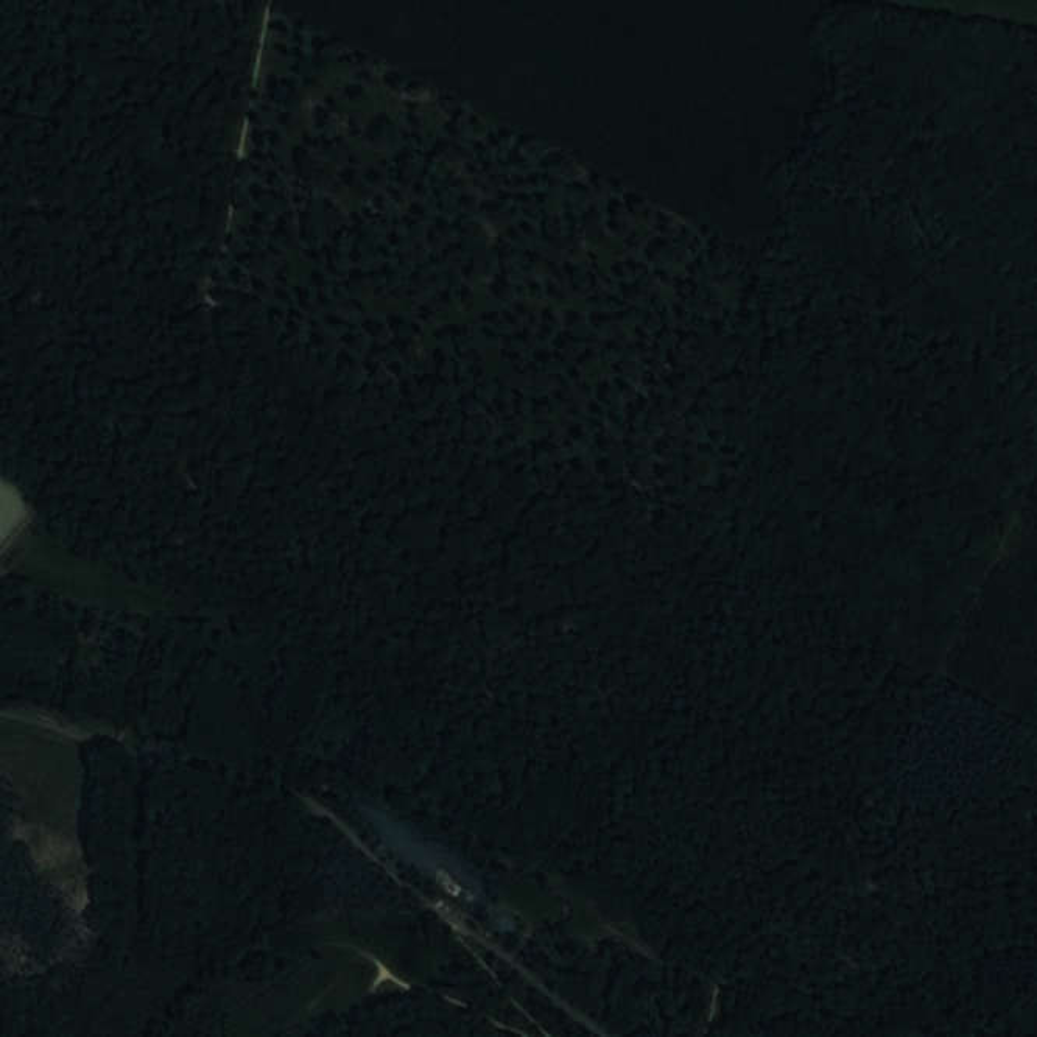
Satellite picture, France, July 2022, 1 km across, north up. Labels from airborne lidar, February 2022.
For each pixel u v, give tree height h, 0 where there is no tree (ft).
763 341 18
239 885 79
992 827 90
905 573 80
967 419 78
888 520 82
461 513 83
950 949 78
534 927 0
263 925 30
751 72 31
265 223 77
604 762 79
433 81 28
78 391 89
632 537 87
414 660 52
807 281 75
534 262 84
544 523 97
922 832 81
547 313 0
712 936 58
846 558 78
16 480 66
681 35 31
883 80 94
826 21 85
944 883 79
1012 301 78
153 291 91
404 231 90
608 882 75
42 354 90
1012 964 86
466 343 93
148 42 99
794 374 79
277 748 79
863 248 82
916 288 82
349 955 0
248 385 77
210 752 78
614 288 89
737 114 29
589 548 73
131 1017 30
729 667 89
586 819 68
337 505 71
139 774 36
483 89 39
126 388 79
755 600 81
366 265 87
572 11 37
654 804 56
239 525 41
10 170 91
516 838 93
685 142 38
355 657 82
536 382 88
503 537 37
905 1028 67
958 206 81
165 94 90
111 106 98
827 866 79
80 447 90
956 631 100
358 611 70
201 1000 92
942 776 100
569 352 97
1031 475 84
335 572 83
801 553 79
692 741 85
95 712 88
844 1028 63
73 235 103
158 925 75
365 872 74
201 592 79
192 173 94
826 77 50
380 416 105
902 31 96
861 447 75
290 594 72
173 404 88
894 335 81
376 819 0
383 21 39
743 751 74
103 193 95
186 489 32
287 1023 0
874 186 88
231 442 85
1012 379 75
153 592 76
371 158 0
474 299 91
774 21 35
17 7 89
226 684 71
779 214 54
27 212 35
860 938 75
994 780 100
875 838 89
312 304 97
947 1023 85
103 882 63
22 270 95
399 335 89
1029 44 79
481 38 39
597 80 38
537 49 35
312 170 93
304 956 0
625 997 77
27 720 0
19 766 0
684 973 68
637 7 39
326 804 63
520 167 95
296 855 84
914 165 80
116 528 87
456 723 89
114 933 76
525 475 89
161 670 53
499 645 76
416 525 98
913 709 77
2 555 0
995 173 75
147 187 88
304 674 86
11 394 86
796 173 90
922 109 93
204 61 100
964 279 88
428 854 0
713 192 37
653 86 38
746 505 85
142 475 84
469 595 88
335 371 80
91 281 88
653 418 96
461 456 106
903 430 86
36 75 43
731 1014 54
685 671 88
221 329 88
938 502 84
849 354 74
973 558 77
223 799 80
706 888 84
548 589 85
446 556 82
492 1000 85
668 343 96
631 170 43
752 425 75
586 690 80
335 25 34
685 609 103
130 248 85
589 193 88
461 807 73
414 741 62
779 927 68
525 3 31
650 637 73
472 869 62
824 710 75
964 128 86
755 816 78
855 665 87
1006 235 85
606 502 91
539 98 35
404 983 0
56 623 52
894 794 94
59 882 0
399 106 0
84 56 98
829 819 80
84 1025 26
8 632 30
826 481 68
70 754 0
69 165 98
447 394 101
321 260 78
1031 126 71
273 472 87
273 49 0
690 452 79
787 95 33
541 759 74
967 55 83
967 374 76
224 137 69
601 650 72
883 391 73
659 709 88
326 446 92
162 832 89
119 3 103
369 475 92
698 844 63
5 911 68
